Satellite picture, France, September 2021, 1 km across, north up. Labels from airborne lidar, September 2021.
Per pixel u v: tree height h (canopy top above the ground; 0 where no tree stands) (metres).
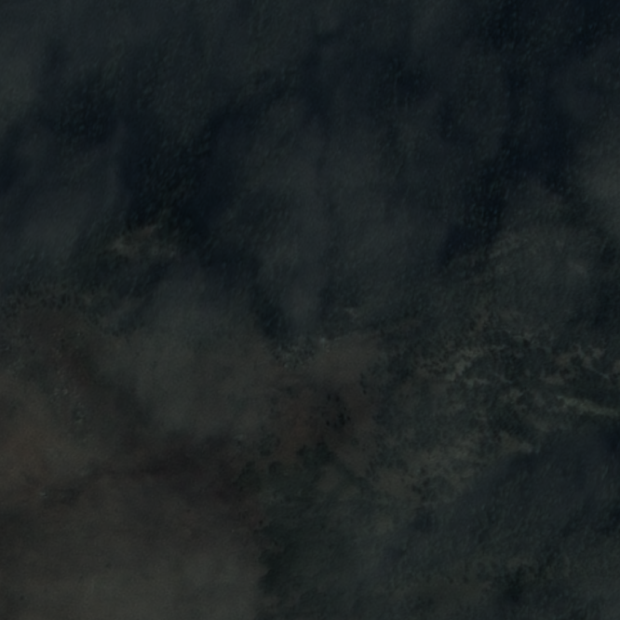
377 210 24
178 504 0
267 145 22
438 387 0
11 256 11
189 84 25
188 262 0
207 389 0
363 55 29
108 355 0
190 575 0
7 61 6
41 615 0
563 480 23
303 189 8
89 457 0
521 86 19
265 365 0
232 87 7
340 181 24
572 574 12
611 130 21
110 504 0
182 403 0
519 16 22
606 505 26
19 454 0
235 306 7
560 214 16
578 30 31
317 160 26
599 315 25
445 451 8
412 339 12
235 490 0
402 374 8
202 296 6
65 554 0
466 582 17
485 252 11
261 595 0
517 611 20
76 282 6
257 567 0
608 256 20
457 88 26
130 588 0
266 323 20
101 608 0
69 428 0
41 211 9
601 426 9
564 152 19
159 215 17
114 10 35
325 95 12
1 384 0
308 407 0
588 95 16
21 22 10
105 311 5
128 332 9
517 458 6
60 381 0
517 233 9
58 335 0
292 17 10
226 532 0
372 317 0
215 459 0
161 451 0
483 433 21
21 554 0
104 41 31
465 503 6
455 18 30
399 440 12
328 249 22
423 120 8
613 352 14
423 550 28
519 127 32
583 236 9
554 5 18
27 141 14
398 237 19
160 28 23
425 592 0
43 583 0
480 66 23
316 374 0
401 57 10
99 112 10
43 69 8
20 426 0
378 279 7
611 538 18
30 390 0
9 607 0
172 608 0
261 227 28
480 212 19
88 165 10
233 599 0
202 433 0
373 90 29
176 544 0
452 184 15
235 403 0
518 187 35
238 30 7
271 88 13
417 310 14
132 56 6
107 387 0
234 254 6
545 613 26
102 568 0
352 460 0
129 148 12
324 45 7
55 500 0
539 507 22
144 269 6
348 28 15
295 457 0
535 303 19
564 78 21
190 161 19
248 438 0
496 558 19
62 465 0
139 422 0
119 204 26
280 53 10
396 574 13
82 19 5
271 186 8
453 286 12
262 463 0
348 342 0
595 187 31
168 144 17
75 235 14
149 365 0
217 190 7
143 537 0
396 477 0
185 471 0
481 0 21
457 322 12
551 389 8
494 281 8
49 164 7
